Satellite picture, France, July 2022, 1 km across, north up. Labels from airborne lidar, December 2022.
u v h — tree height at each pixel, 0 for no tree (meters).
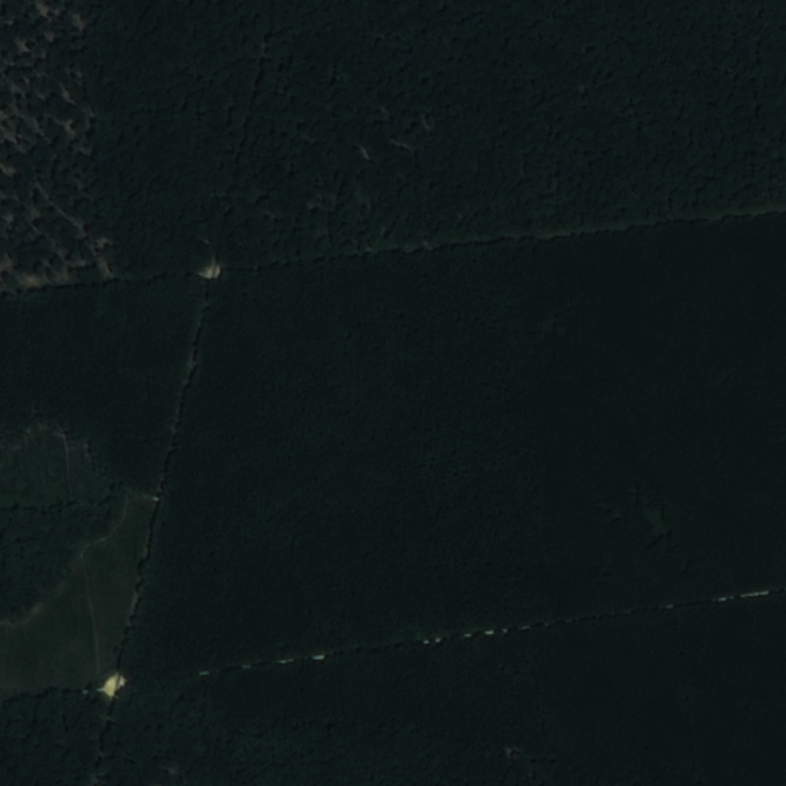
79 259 29
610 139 27
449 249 16
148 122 27
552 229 15
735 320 15
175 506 21
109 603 0
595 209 24
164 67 31
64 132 26
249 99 27
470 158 30
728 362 14
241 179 25
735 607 13
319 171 28
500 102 32
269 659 13
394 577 24
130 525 0
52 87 27
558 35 26
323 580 21
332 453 22
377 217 20
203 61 31
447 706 17
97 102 31
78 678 0
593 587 15
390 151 29
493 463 25
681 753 15
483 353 21
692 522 16
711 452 13
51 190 29
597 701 13
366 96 31
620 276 11
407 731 22
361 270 20
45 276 26
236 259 25
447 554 22
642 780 15
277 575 19
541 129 30
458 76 30
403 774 23
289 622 17
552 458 17
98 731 29
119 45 31
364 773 25
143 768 32
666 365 14
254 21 26
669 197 24
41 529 25
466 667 16
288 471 19
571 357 10
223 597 22
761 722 13
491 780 26
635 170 22
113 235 30
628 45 25
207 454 18
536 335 14
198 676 17
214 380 19
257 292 18
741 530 13
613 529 13
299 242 28
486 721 18
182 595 25
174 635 23
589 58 26
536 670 17
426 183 30
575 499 14
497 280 21
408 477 24
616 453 14
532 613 21
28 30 34
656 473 14
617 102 19
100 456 20
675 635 15
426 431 24
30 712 24
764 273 16
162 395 22
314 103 28
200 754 22
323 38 27
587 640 16
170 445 17
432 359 20
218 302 19
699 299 16
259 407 21
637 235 12
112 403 24
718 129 27
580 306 8
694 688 14
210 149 27
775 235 13
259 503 19
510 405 22
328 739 21
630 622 15
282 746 22
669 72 24
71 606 0
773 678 15
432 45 32
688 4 25
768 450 10
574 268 14
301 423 24
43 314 22
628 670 17
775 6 22
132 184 28
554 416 16
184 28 27
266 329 18
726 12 23
